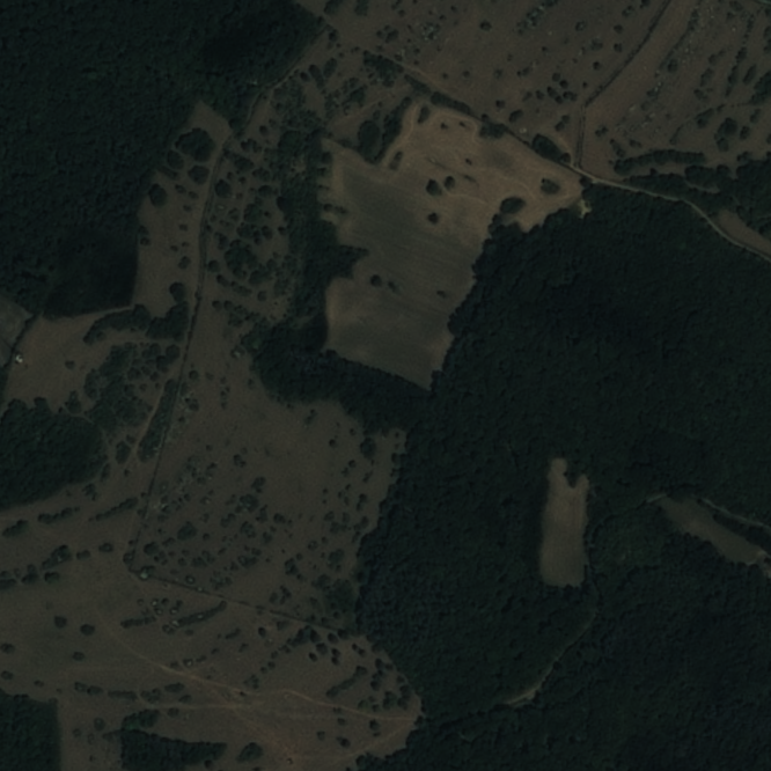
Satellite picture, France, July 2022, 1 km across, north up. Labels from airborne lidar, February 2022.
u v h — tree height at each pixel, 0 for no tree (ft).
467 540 49
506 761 69
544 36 0
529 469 85
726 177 35
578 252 54
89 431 19
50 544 0
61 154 56
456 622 53
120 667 0
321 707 0
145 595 0
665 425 66
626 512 58
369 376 55
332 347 0
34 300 67
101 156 53
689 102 0
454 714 76
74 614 0
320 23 25
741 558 0
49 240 60
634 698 20
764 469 62
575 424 58
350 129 0
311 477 0
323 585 21
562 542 0
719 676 28
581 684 40
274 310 0
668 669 32
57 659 0
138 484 0
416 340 0
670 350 40
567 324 85
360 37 0
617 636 60
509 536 96
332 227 23
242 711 0
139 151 32
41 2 58
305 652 0
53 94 58
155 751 63
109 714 0
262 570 0
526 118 0
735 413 58
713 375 60
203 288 0
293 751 0
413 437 44
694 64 0
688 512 0
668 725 26
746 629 50
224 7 85
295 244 22
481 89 0
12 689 0
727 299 64
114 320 30
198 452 0
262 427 0
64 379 0
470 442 71
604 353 88
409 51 0
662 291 83
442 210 0
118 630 0
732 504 36
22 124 55
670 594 47
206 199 0
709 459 58
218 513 0
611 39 0
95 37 59
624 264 55
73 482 36
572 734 71
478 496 67
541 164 0
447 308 0
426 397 35
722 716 65
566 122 24
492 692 68
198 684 0
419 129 0
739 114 0
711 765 58
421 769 67
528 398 71
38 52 57
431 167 0
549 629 83
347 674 0
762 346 52
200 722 0
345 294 0
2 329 0
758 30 0
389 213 0
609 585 64
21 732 27
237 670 0
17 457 38
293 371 77
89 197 62
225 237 21
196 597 0
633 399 68
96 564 0
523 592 75
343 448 0
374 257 0
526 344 66
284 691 0
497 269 39
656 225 47
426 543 51
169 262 0
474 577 53
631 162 29
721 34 0
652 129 0
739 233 0
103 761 0
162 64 53
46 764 24
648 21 0
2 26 59
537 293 92
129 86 27
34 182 58
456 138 0
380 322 0
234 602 0
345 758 0
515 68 0
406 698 20
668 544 30
